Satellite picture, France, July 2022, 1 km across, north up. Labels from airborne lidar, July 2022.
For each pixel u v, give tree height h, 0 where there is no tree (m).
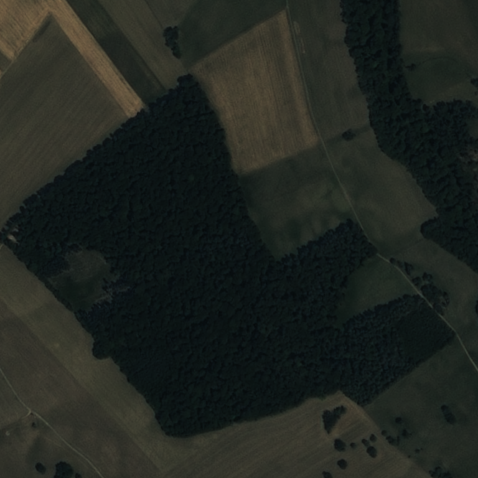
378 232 0
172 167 26
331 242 31
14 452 0
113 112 0
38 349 0
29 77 0
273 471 0
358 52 27
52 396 0
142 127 21
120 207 24
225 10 0
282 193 0
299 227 0
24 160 0
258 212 0
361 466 0
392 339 12
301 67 0
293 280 32
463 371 0
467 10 0
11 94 0
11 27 0
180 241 25
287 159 0
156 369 17
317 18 0
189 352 28
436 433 0
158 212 28
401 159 15
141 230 14
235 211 29
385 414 0
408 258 0
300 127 0
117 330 23
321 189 0
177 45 12
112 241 22
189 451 0
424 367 0
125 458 0
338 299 31
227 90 0
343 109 0
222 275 28
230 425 18
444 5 0
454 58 0
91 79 0
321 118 0
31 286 0
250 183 0
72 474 15
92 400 0
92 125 0
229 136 0
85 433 0
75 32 0
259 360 29
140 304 24
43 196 22
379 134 13
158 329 26
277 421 0
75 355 0
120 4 0
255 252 22
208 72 0
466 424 0
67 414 0
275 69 0
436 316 10
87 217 26
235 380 31
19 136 0
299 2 0
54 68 0
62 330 0
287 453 0
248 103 0
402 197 0
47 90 0
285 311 34
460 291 0
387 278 0
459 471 0
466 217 38
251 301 28
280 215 0
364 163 0
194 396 33
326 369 29
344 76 0
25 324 0
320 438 0
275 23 0
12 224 19
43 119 0
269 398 22
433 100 0
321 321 30
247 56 0
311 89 0
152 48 0
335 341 25
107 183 27
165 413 25
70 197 26
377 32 38
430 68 0
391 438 9
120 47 0
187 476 0
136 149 26
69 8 0
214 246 28
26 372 0
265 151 0
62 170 0
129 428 0
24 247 21
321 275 32
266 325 34
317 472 0
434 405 0
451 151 29
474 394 0
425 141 7
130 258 22
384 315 22
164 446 0
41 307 0
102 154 22
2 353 0
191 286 23
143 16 0
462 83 0
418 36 0
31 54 0
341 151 0
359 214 0
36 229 25
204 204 29
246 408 23
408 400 0
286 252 0
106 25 0
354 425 0
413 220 0
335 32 0
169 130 26
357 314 0
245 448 0
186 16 0
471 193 34
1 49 0
